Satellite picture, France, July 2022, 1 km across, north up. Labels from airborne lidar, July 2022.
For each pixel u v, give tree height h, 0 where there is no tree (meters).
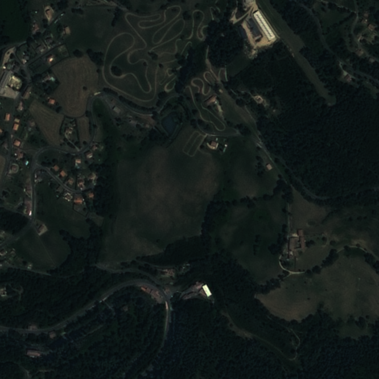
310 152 26
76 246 29
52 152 0
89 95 0
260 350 27
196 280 8
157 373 7
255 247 11
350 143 13
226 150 0
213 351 16
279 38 0
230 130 0
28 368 20
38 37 14
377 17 27
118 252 0
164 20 0
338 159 22
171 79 0
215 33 25
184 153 0
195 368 17
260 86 7
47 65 0
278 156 17
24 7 7
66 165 0
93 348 21
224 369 27
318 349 28
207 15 0
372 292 0
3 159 0
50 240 0
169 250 15
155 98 0
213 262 26
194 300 11
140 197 0
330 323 21
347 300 0
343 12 13
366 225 0
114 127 0
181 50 0
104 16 0
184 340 8
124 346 16
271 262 0
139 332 18
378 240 0
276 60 20
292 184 12
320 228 0
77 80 0
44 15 0
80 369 18
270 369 26
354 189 19
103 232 10
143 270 18
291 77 7
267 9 0
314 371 18
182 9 0
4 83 0
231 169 0
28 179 0
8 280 12
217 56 25
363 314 0
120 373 11
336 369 17
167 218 0
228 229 0
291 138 23
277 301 0
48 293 8
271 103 7
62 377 19
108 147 9
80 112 0
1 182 0
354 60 10
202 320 14
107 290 17
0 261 11
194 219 0
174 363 31
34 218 0
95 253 23
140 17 0
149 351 22
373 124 9
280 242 14
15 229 6
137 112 0
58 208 0
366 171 23
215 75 0
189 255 7
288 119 11
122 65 0
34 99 0
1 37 10
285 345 15
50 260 0
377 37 14
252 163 0
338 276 0
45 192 0
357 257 0
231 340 11
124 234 0
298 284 0
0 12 0
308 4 32
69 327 24
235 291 6
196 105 0
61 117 0
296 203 0
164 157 0
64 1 15
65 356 26
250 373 24
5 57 0
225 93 0
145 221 0
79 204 0
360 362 9
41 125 0
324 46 11
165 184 0
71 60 0
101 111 0
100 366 36
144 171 0
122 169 0
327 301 0
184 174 0
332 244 12
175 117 6
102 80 0
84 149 0
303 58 0
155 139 24
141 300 22
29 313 19
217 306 5
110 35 0
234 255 0
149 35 0
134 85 0
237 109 0
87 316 13
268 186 0
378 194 22
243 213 0
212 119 0
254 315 16
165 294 0
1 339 19
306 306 0
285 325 20
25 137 0
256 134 0
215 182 0
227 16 20
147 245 0
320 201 19
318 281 0
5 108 0
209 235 22
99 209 27
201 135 0
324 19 0
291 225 0
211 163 0
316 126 23
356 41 0
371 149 8
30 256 0
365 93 15
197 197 0
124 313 17
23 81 15
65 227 0
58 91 0
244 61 0
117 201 0
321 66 18
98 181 15
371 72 13
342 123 20
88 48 0
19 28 0
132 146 0
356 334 0
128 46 0
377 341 30
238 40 23
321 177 21
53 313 23
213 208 24
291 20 28
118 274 8
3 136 9
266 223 0
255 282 16
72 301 22
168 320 0
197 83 0
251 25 0
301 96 8
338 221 0
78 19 0
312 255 0
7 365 21
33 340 14
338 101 13
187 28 0
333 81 10
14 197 0
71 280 9
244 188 0
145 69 0
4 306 8
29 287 10
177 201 0
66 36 0
